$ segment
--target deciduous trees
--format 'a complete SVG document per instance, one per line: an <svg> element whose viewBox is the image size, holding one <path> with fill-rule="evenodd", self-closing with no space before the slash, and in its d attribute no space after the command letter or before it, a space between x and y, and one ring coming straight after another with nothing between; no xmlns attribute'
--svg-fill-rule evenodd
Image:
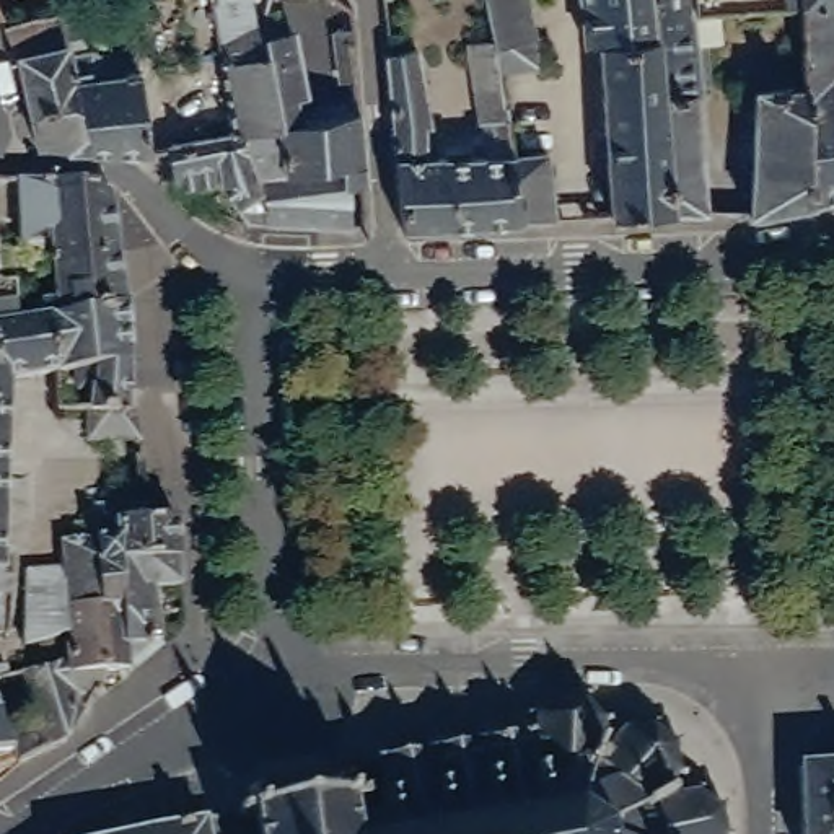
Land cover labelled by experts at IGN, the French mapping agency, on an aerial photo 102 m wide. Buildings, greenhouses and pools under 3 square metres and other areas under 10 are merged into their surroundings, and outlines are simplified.
<svg viewBox="0 0 834 834"><path fill-rule="evenodd" d="M437 313L437 329L446 329L453 336L466 336L466 323L472 319L472 313L472 306L463 296L456 296Z"/></svg>
<svg viewBox="0 0 834 834"><path fill-rule="evenodd" d="M225 225L231 215L231 195L225 195L222 186L202 192L173 186L163 202L182 222L192 225L195 218L205 218Z"/></svg>
<svg viewBox="0 0 834 834"><path fill-rule="evenodd" d="M134 440L127 440L127 446L114 440L94 440L91 446L101 459L98 476L117 489L124 479L130 482L143 472L137 459L140 443Z"/></svg>
<svg viewBox="0 0 834 834"><path fill-rule="evenodd" d="M267 554L264 541L251 538L248 525L238 518L254 495L254 482L241 476L235 459L248 453L254 433L241 417L248 365L228 352L244 319L235 296L199 296L186 303L182 313L182 332L195 349L192 407L202 410L205 420L199 453L212 459L212 482L202 492L199 508L215 518L209 525L209 541L195 547L195 560L209 567L209 573L225 580L228 593L215 606L205 606L205 612L209 619L218 619L218 632L228 642L238 645L241 639L261 635L267 626L267 609L274 603L264 586L244 586L248 573L267 560Z"/></svg>
<svg viewBox="0 0 834 834"><path fill-rule="evenodd" d="M270 319L270 329L287 329L293 336L293 362L300 365L296 371L283 371L283 437L274 446L274 459L287 466L287 511L296 525L306 560L300 583L283 606L287 629L319 652L336 652L345 645L401 652L401 642L414 642L417 632L414 616L407 609L410 590L404 583L407 551L401 525L404 515L414 511L407 469L414 463L414 453L427 440L427 424L414 417L410 401L394 394L397 381L404 378L397 336L404 319L401 300L391 290L388 277L362 280L358 290L303 293L287 316Z"/></svg>
<svg viewBox="0 0 834 834"><path fill-rule="evenodd" d="M541 78L557 78L557 75L560 75L560 59L557 59L557 49L554 49L554 42L551 42L551 39L538 46L538 65L541 65L541 75Z"/></svg>
<svg viewBox="0 0 834 834"><path fill-rule="evenodd" d="M469 397L479 384L489 381L479 352L469 345L463 355L427 368L427 378L437 391L450 397Z"/></svg>
<svg viewBox="0 0 834 834"><path fill-rule="evenodd" d="M834 261L801 264L801 270L785 270L779 264L756 261L743 277L733 280L726 274L700 274L691 280L678 280L671 283L668 300L648 293L648 303L639 300L639 290L626 287L622 280L609 283L599 296L593 296L593 303L573 300L567 290L544 283L521 290L511 300L515 313L511 336L528 342L528 358L508 358L502 371L528 401L551 401L564 394L570 388L570 375L580 371L593 381L593 388L603 397L616 404L639 397L648 384L652 368L661 368L665 378L684 388L704 388L723 375L730 378L730 365L720 358L720 342L713 332L717 309L730 303L730 287L736 290L736 306L749 313L746 326L772 332L769 345L756 349L753 368L762 368L759 397L756 410L743 420L743 433L772 437L769 450L749 459L749 511L733 518L730 508L717 508L717 502L704 508L691 505L678 515L661 515L665 534L648 528L635 498L609 508L603 518L580 518L573 508L531 511L528 525L518 534L518 544L508 547L508 570L518 580L518 593L544 622L557 622L564 622L570 606L577 606L573 590L580 586L580 554L606 560L603 580L590 586L590 596L596 596L599 609L612 609L619 619L632 626L652 619L661 599L658 586L665 586L668 580L658 564L645 567L645 547L658 551L661 538L674 541L678 554L687 557L691 570L678 577L671 590L694 616L710 612L720 603L723 590L733 586L730 551L736 538L753 538L756 554L772 554L772 567L766 567L753 580L756 596L746 603L746 609L756 619L759 629L766 629L772 639L798 639L801 648L808 648L805 642L814 639L818 629L834 626ZM567 332L583 323L599 326L599 342L577 358Z"/></svg>
<svg viewBox="0 0 834 834"><path fill-rule="evenodd" d="M410 0L375 0L378 26L388 26L388 39L397 42L410 42Z"/></svg>
<svg viewBox="0 0 834 834"><path fill-rule="evenodd" d="M450 528L437 528L430 534L433 554L453 567L459 583L450 593L450 599L440 603L446 619L466 632L492 619L498 606L498 590L492 586L482 567L489 554L505 541L498 538L495 518L482 518L476 511L472 518L450 518Z"/></svg>
<svg viewBox="0 0 834 834"><path fill-rule="evenodd" d="M55 29L62 29L65 46L68 46L72 39L85 39L85 49L127 52L134 62L147 59L160 78L179 75L182 68L195 72L199 59L192 36L176 36L173 46L156 49L156 0L0 0L0 10L13 23L55 16Z"/></svg>
<svg viewBox="0 0 834 834"><path fill-rule="evenodd" d="M39 287L52 264L59 264L59 254L46 254L46 244L26 244L20 238L20 244L0 244L0 274L20 277L20 293L26 296Z"/></svg>

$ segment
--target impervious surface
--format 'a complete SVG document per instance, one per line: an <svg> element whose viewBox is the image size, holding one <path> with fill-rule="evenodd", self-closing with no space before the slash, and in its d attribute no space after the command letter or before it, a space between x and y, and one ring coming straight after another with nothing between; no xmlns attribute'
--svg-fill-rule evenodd
<svg viewBox="0 0 834 834"><path fill-rule="evenodd" d="M156 121L156 150L169 143L192 143L231 134L231 94L225 91L225 81L218 81L218 94L205 88L189 88L176 94L166 104L166 114Z"/></svg>
<svg viewBox="0 0 834 834"><path fill-rule="evenodd" d="M437 313L456 296L463 296L472 306L472 313L489 313L492 306L498 316L515 313L511 300L521 290L544 283L567 290L573 300L593 303L593 296L599 296L609 283L622 280L626 287L639 290L639 300L648 303L648 293L668 300L671 283L678 280L691 280L700 274L726 274L733 280L743 277L756 261L779 264L785 270L801 270L801 264L834 261L834 215L792 225L769 222L766 228L753 228L736 225L733 212L717 212L710 222L678 218L671 225L619 225L616 218L609 218L599 59L593 52L580 55L577 46L577 26L599 23L593 10L580 7L580 0L528 0L534 23L541 23L551 33L551 39L551 42L554 42L554 49L557 49L557 59L560 59L560 75L557 75L557 78L541 78L541 75L511 78L518 104L511 108L511 121L525 117L528 127L538 130L551 166L557 169L557 189L551 192L554 218L515 231L476 231L476 238L469 238L466 244L446 244L424 241L420 235L410 238L401 228L401 222L407 222L407 209L397 192L401 163L397 140L391 134L391 114L404 104L388 98L384 62L401 55L397 42L388 39L388 26L378 26L375 0L257 0L257 29L270 42L296 36L306 46L313 101L290 121L290 127L329 130L358 117L362 130L371 134L381 186L375 192L365 192L365 225L358 225L355 235L270 228L231 231L225 225L205 218L195 218L192 225L182 222L163 202L173 186L160 179L160 169L140 173L121 153L108 153L104 163L91 163L68 156L42 156L36 153L36 143L23 147L23 117L16 111L16 85L10 75L10 62L29 59L36 52L55 52L65 46L62 29L55 29L55 16L13 23L0 10L0 244L20 244L20 238L20 179L26 173L81 173L91 182L108 186L114 192L114 212L121 215L121 225L104 225L104 248L114 251L121 244L124 261L130 261L127 290L130 309L137 309L130 329L137 329L140 342L140 375L134 381L130 410L130 424L137 427L134 440L140 443L137 459L143 472L130 482L124 479L117 489L98 476L101 459L91 446L81 443L78 430L81 401L59 404L55 371L46 375L46 368L39 365L13 375L13 437L7 479L10 518L3 554L7 570L16 573L13 616L13 629L26 626L29 567L59 564L65 534L85 534L91 547L104 547L101 528L111 528L117 534L117 518L124 511L166 505L169 511L189 508L189 531L195 547L209 541L209 525L215 518L199 508L202 492L212 482L212 459L199 453L205 420L202 410L192 407L195 349L182 332L182 313L186 303L199 296L235 296L244 319L228 352L248 365L241 417L254 433L248 453L235 459L241 476L254 482L254 495L238 518L248 525L251 538L264 541L267 554L267 560L248 573L244 586L264 586L274 603L267 609L267 626L261 635L241 639L238 645L228 642L218 632L218 619L209 619L205 612L205 606L215 606L228 593L225 580L209 573L209 567L195 560L192 580L192 593L199 603L186 609L186 639L176 645L163 645L127 678L117 674L117 684L94 710L88 730L75 736L68 746L16 769L7 769L0 753L0 834L78 834L108 824L189 811L215 811L218 827L235 824L248 808L248 795L264 792L267 785L316 779L323 775L323 766L339 766L352 743L378 749L404 746L417 743L430 730L437 736L466 733L476 743L485 740L485 726L505 730L518 723L534 723L534 704L570 707L573 697L580 697L586 687L599 687L596 697L603 700L603 710L616 713L619 720L635 720L655 730L665 720L671 723L671 730L681 740L681 749L707 769L717 798L726 808L726 834L808 834L801 814L801 756L834 749L834 626L818 629L814 639L805 642L808 648L801 648L798 639L772 639L766 629L759 629L756 619L749 626L658 626L652 619L632 626L619 619L612 622L612 635L564 635L557 622L544 622L518 629L498 626L492 619L466 632L446 619L437 626L424 626L417 632L414 642L401 642L401 652L345 645L336 652L319 652L287 629L283 606L300 583L306 560L296 525L287 511L287 466L274 459L274 446L283 437L283 371L296 371L300 365L293 362L293 336L287 329L270 329L270 319L287 316L303 293L358 290L362 280L388 277L391 290L401 300L404 319L427 309Z"/></svg>
<svg viewBox="0 0 834 834"><path fill-rule="evenodd" d="M466 55L456 65L450 59L430 65L427 59L417 59L427 108L443 114L430 140L430 153L433 160L453 160L456 166L463 166L469 160L502 163L505 156L511 156L508 140L498 140L489 130L482 130L476 114L469 114L466 94L472 91L472 68Z"/></svg>

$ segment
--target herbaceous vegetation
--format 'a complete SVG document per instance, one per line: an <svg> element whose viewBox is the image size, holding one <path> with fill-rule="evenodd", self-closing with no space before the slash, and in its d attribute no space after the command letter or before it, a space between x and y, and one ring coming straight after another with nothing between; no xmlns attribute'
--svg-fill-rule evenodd
<svg viewBox="0 0 834 834"><path fill-rule="evenodd" d="M26 626L13 629L13 616L0 619L0 655L13 655L13 668L33 668L49 661L62 665L68 658L68 652L75 648L72 632L33 645Z"/></svg>
<svg viewBox="0 0 834 834"><path fill-rule="evenodd" d="M215 0L156 0L156 49L173 46L176 36L192 36L199 59L195 72L182 68L179 75L160 78L147 59L134 62L127 52L85 49L85 39L72 39L68 46L85 52L85 59L78 59L78 75L124 78L140 72L147 114L156 121L166 114L166 104L176 94L189 88L205 88L218 94L218 81L209 55L209 42L218 42Z"/></svg>
<svg viewBox="0 0 834 834"><path fill-rule="evenodd" d="M410 0L410 42L397 42L401 55L417 59L427 59L430 65L450 59L450 42L459 39L469 20L466 7L472 0Z"/></svg>
<svg viewBox="0 0 834 834"><path fill-rule="evenodd" d="M700 169L704 186L713 189L717 212L733 212L753 209L756 98L772 94L785 104L788 94L808 88L808 78L801 16L782 20L782 13L733 13L720 16L723 46L700 49L697 55L704 72Z"/></svg>

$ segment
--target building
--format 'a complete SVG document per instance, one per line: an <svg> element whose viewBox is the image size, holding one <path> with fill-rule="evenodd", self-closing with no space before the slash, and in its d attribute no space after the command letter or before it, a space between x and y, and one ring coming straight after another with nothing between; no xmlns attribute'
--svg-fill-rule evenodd
<svg viewBox="0 0 834 834"><path fill-rule="evenodd" d="M511 78L541 75L541 65L538 65L538 46L551 39L551 33L541 23L534 23L528 0L485 0L492 42L472 46L466 55L472 68L472 91L466 94L469 114L476 114L482 130L489 130L498 140L508 140L511 156L505 156L502 163L469 160L463 166L456 166L453 160L433 160L430 153L430 140L443 114L427 108L417 59L401 55L384 62L388 98L404 104L391 114L391 134L397 140L401 163L397 192L407 209L407 222L401 222L401 228L410 238L420 235L424 241L446 244L466 244L469 238L476 238L476 231L515 231L554 218L551 192L557 189L557 169L551 166L538 130L528 127L525 117L511 121L511 108L518 104Z"/></svg>
<svg viewBox="0 0 834 834"><path fill-rule="evenodd" d="M700 49L723 46L720 16L733 13L782 13L782 20L801 16L808 78L808 88L788 94L785 104L772 94L756 98L753 209L733 212L736 225L753 228L766 228L769 222L792 225L834 215L834 0L580 0L580 7L593 10L599 23L577 26L577 46L580 55L593 52L599 59L609 218L616 218L619 225L671 225L678 218L710 222L717 212L713 189L704 186L700 169L704 72L697 55Z"/></svg>
<svg viewBox="0 0 834 834"><path fill-rule="evenodd" d="M36 143L36 153L42 156L68 156L91 163L104 163L108 153L121 153L140 173L160 169L160 179L173 186L202 192L222 186L225 195L231 195L231 215L225 225L231 231L270 228L355 235L358 225L365 225L365 192L375 192L381 186L371 134L362 130L358 117L329 130L290 127L290 121L313 101L306 46L296 36L270 42L257 29L257 0L215 0L218 42L209 42L209 55L218 81L225 81L225 91L231 94L231 134L192 143L169 143L156 150L156 121L147 114L140 72L124 78L78 75L78 59L85 59L85 52L68 46L65 46L55 52L36 52L29 59L10 62L10 75L16 85L16 111L23 117L23 147Z"/></svg>
<svg viewBox="0 0 834 834"><path fill-rule="evenodd" d="M49 661L33 668L13 668L13 655L0 655L0 753L7 769L16 769L68 746L75 736L88 730L94 710L117 684L117 674L127 678L163 645L166 616L173 612L166 586L192 580L195 560L195 547L189 531L189 508L169 511L166 505L124 511L117 518L117 534L111 528L101 528L104 547L91 547L85 534L65 534L59 564L29 567L26 626L33 645L72 632L75 648L68 652L68 658L62 665Z"/></svg>
<svg viewBox="0 0 834 834"><path fill-rule="evenodd" d="M834 749L801 756L801 814L808 834L834 834Z"/></svg>
<svg viewBox="0 0 834 834"><path fill-rule="evenodd" d="M20 293L20 277L0 274L0 619L13 616L16 573L7 570L3 554L10 518L7 479L13 437L13 375L39 365L46 368L46 375L55 371L59 404L81 401L78 430L81 443L91 446L94 440L114 440L127 446L127 440L134 440L137 427L130 424L130 410L134 381L140 375L140 342L137 329L130 329L137 309L130 309L127 290L130 261L124 261L121 244L114 251L104 248L104 225L121 225L121 215L114 212L114 192L108 186L91 182L81 173L26 173L20 179L20 238L26 244L46 244L46 254L59 254L59 264L52 264L39 287L26 296Z"/></svg>
<svg viewBox="0 0 834 834"><path fill-rule="evenodd" d="M726 834L726 808L717 798L707 769L681 749L681 740L671 730L671 723L665 720L655 730L635 720L619 720L616 713L603 710L603 700L596 697L599 687L586 687L580 697L573 697L570 707L534 704L534 723L518 723L505 730L485 726L485 740L476 743L466 733L437 736L430 730L417 743L404 746L378 749L352 743L339 766L323 766L323 775L316 779L267 785L264 792L248 795L248 808L235 824L218 827L215 811L189 811L108 824L78 834Z"/></svg>

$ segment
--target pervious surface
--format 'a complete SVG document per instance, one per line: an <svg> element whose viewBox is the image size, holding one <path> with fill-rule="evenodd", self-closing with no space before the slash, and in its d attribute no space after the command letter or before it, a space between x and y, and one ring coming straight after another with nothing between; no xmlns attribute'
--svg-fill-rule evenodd
<svg viewBox="0 0 834 834"><path fill-rule="evenodd" d="M518 593L518 580L508 570L508 547L518 544L518 534L528 525L531 511L573 508L580 518L603 518L609 508L635 498L648 528L665 534L661 515L678 515L691 505L704 508L717 502L717 508L730 508L733 518L749 511L749 459L769 450L772 437L743 433L743 420L756 410L759 397L762 368L753 368L756 349L769 345L772 332L746 326L749 313L736 306L736 290L730 287L730 303L717 309L713 332L720 342L720 358L730 365L730 378L723 375L704 388L684 388L665 378L661 368L652 368L648 384L639 397L616 404L603 397L593 388L593 381L580 371L570 375L570 388L564 394L551 401L528 401L502 371L508 358L528 358L528 342L511 336L515 313L498 316L492 306L489 313L472 313L472 319L466 323L466 336L453 336L446 329L437 329L437 313L427 309L404 319L397 336L404 378L397 381L394 394L410 401L414 417L427 424L427 440L414 453L414 463L407 469L414 511L404 515L401 525L407 551L404 583L410 590L407 609L414 616L417 632L424 626L437 626L446 619L440 603L450 599L450 593L459 583L453 567L433 554L430 534L437 528L450 528L450 518L472 518L476 511L482 518L495 518L498 538L505 541L489 554L482 567L492 586L498 590L498 606L492 619L498 626L518 629L544 622ZM427 378L427 368L463 355L469 345L479 352L489 381L479 384L469 397L450 397L437 391Z"/></svg>
<svg viewBox="0 0 834 834"><path fill-rule="evenodd" d="M567 332L577 358L599 342L599 326L583 323Z"/></svg>
<svg viewBox="0 0 834 834"><path fill-rule="evenodd" d="M736 538L730 551L733 586L723 590L720 603L710 612L694 616L671 590L678 577L691 570L687 557L678 554L674 541L661 538L658 551L645 547L645 567L658 564L668 580L665 586L658 586L661 599L652 619L658 626L749 626L756 619L746 609L746 603L756 596L753 580L766 567L772 567L772 554L756 554L753 538Z"/></svg>
<svg viewBox="0 0 834 834"><path fill-rule="evenodd" d="M612 635L612 622L619 619L612 609L599 609L596 596L590 596L590 586L603 580L606 560L580 554L580 586L573 590L577 606L570 606L564 622L557 622L564 635Z"/></svg>

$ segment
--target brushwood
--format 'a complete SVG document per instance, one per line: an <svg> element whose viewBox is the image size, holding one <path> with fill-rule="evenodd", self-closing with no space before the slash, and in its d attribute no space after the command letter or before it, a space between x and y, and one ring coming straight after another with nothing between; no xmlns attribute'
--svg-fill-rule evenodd
<svg viewBox="0 0 834 834"><path fill-rule="evenodd" d="M166 616L163 645L176 645L186 639L186 609L199 603L192 593L192 580L166 586L173 612Z"/></svg>
<svg viewBox="0 0 834 834"><path fill-rule="evenodd" d="M456 65L466 55L472 46L492 42L485 0L472 0L466 7L469 20L459 39L450 42L450 59Z"/></svg>

